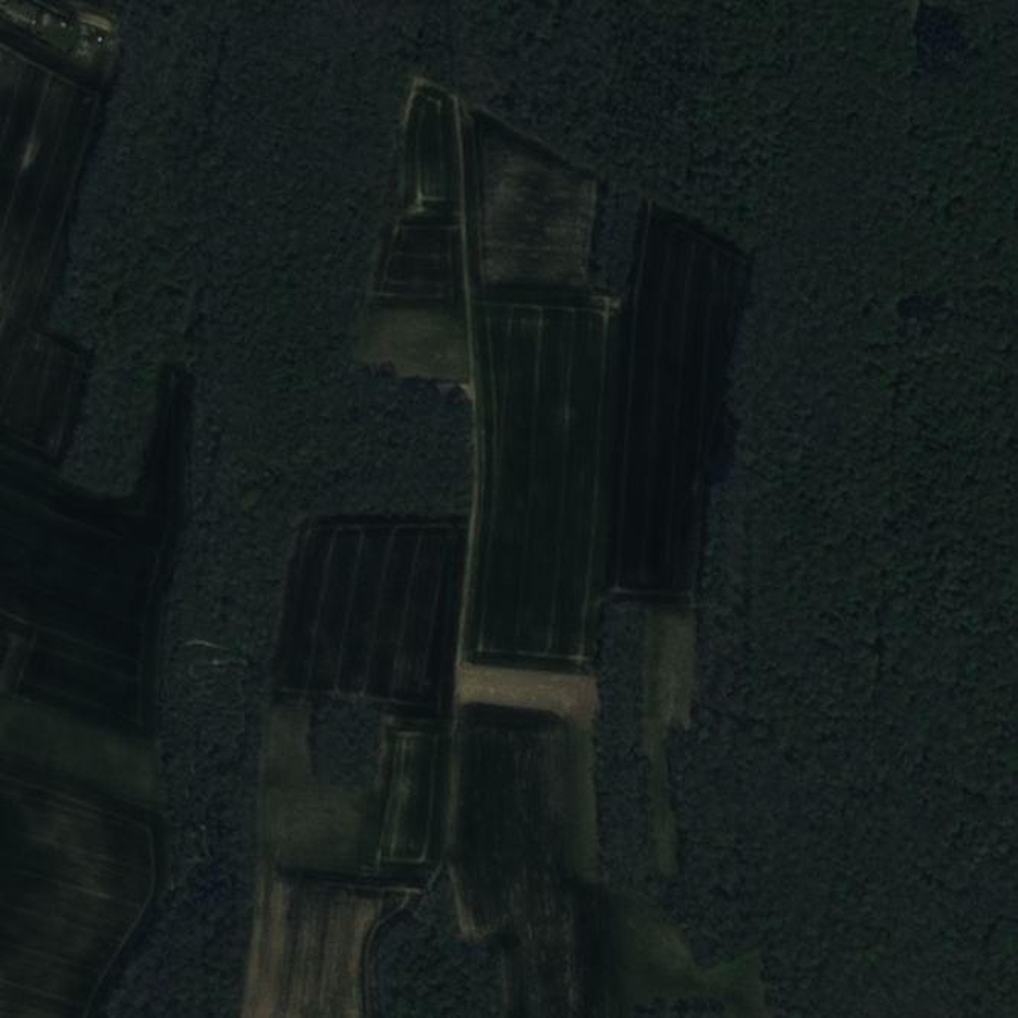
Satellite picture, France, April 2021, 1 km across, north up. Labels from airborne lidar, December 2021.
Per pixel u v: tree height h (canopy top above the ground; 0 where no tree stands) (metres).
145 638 0
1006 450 17
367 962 0
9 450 0
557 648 0
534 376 0
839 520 22
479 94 25
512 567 0
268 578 21
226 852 11
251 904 17
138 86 24
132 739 0
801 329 25
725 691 21
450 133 0
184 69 22
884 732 25
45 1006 0
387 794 0
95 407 20
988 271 18
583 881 0
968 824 18
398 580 0
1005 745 20
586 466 0
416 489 24
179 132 25
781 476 19
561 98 24
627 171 22
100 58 0
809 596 20
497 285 0
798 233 22
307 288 22
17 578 0
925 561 19
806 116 24
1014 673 25
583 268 0
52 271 0
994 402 21
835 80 22
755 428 26
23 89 0
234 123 29
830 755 25
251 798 21
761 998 0
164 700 7
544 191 0
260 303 23
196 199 28
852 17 21
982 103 24
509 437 0
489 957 20
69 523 0
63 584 0
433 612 0
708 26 22
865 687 24
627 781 29
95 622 0
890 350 22
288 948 0
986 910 26
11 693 0
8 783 0
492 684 0
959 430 22
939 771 26
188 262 26
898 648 24
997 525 21
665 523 0
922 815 24
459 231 0
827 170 25
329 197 24
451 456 25
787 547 21
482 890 0
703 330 0
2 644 0
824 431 26
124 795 0
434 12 17
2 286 0
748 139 26
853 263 25
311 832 0
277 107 26
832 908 22
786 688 22
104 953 0
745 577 25
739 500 20
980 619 14
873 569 21
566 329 0
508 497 0
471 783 0
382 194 19
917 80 24
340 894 0
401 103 23
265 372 24
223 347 24
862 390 28
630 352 0
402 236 0
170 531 0
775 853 26
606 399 0
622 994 0
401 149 7
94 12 0
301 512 27
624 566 0
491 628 0
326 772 20
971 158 24
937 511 20
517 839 0
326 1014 0
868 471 24
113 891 0
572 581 0
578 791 0
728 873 27
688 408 0
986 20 23
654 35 20
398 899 0
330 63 22
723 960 24
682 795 27
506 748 0
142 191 29
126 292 25
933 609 24
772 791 25
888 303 23
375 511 10
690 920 22
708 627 22
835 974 23
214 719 6
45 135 0
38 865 0
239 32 24
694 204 19
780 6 21
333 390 25
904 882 25
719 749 21
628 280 15
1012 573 23
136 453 26
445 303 0
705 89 25
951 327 23
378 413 29
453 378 0
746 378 23
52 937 0
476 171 0
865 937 25
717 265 0
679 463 0
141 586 0
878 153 22
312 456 22
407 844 0
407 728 0
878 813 27
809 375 26
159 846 0
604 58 21
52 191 0
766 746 26
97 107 0
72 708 0
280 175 26
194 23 21
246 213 20
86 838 0
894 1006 27
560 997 0
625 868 22
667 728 0
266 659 13
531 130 22
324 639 0
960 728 26
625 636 22
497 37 23
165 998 24
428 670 0
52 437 0
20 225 0
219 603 12
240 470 19
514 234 0
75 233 21
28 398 0
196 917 20
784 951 26
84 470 23
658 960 0
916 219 24
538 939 0
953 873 23
